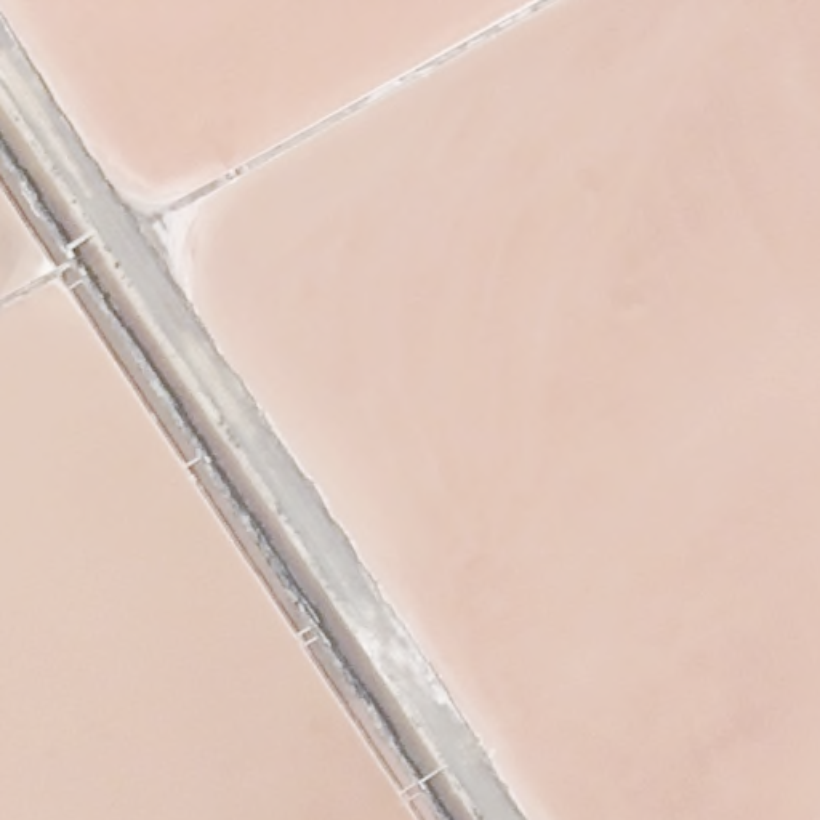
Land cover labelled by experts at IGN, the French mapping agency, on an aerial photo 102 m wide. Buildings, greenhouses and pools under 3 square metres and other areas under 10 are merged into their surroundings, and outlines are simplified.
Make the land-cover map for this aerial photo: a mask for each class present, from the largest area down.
<instances>
[{"label":"water","instance_id":"1","mask_svg":"<svg viewBox=\"0 0 820 820\"><path fill-rule=\"evenodd\" d=\"M522 0H0V16L6 19V29L26 45L35 67L45 74L58 106L74 122L90 154L115 183L122 199H128L135 189L147 192L154 183L163 186L208 163H227L237 154L253 151L269 135H279L295 122L317 115L320 109L346 99L349 93L375 86L413 58L439 48L442 42L468 32L471 26L490 16H500L503 10ZM205 259L192 269L195 291L186 295L202 324L208 327V333L215 336L221 356L247 381V391L253 394L259 413L266 416L279 442L288 448L295 464L317 487L330 516L349 535L378 593L394 586L404 605L413 612L416 628L429 641L423 660L448 695L445 708L474 730L500 782L509 788L513 801L529 820H820V0H564L545 16L506 29L503 38L474 48L468 58H455L442 70L410 86H400L397 93L375 103L362 119L327 131L320 141L295 151L291 157L263 170L250 183L237 186L221 205H215L202 218ZM19 263L38 269V275H48L54 263L45 256L32 231L16 215L13 202L6 199V192L0 189V288L16 275ZM77 266H83L90 285L106 301L109 314L128 333L131 346L141 352L147 368L157 375L183 426L208 455L211 471L224 484L231 503L250 519L256 541L269 554V564L282 577V583L298 596V602L311 612L333 657L343 663V673L349 676L356 695L375 708L378 721L384 724L413 778L426 785V794L442 820H468L464 807L448 791L429 753L410 730L407 718L375 676L368 657L349 634V628L340 621L320 586L311 580L308 567L285 541L279 525L269 519L263 500L247 484L237 461L215 436L211 423L173 372V365L167 362V356L160 352V346L151 340L138 314L131 311L115 279L106 272L93 243H83L74 250ZM343 701L317 669L304 637L288 625L263 580L253 573L240 548L234 545L231 532L211 509L208 496L189 474L186 461L176 455L151 410L141 404L131 381L109 356L93 324L86 320V314L80 311L70 288L64 282H58L54 288L48 285L35 301H19L0 314V820H407L397 798L388 791L384 778L375 772L372 759L362 753L359 740L336 718V708Z\"/></svg>","mask_w":820,"mask_h":820},{"label":"pervious surface","instance_id":"2","mask_svg":"<svg viewBox=\"0 0 820 820\"><path fill-rule=\"evenodd\" d=\"M564 0H522L503 10L500 16H490L471 26L468 32L442 42L439 48L413 58L375 86L349 93L346 99L320 109L317 115L295 122L279 135H269L253 151L237 154L227 163H208L163 186L154 183L147 192L135 189L128 199H122L115 183L90 154L74 122L58 106L45 74L35 67L26 45L6 29V19L0 16V189L6 192V199L13 202L16 215L32 231L45 256L54 263L48 275H38V269L19 263L16 275L0 288V314L19 301H35L48 285L54 288L58 282H64L70 288L80 311L86 314V320L93 324L109 356L131 381L141 404L151 410L176 455L186 461L189 474L208 496L211 509L231 532L234 545L240 548L253 573L263 580L288 625L304 637L317 669L343 701L336 708V718L359 740L362 753L372 759L375 772L384 778L388 791L397 798L407 820H442L426 794V785L413 778L384 724L378 721L375 708L356 695L349 676L343 673V663L333 657L311 612L298 602V596L282 583V577L269 564V554L256 541L250 519L231 503L224 484L211 471L208 455L183 426L157 375L147 368L141 352L131 346L128 333L109 314L106 301L90 285L83 266H77L74 250L83 243H93L106 272L115 279L131 311L138 314L151 340L160 346V352L167 356V362L173 365V372L211 423L215 436L237 461L247 484L263 500L269 519L279 525L285 541L308 567L311 580L320 586L340 621L349 628V634L368 657L375 676L407 718L410 730L429 753L448 791L464 807L468 820H529L513 801L509 788L500 782L474 730L445 708L448 695L423 660L429 641L416 628L413 612L404 605L394 586L378 593L349 535L330 516L317 487L295 464L288 448L279 442L266 416L259 413L253 394L247 391V381L221 356L215 336L208 333V327L202 324L186 295L195 291L192 269L205 259L202 218L215 205H221L237 186L250 183L263 170L291 157L295 151L320 141L327 131L362 119L375 103L397 93L400 86H410L442 70L455 58H468L474 48L503 38L506 29L545 16Z\"/></svg>","mask_w":820,"mask_h":820}]
</instances>
